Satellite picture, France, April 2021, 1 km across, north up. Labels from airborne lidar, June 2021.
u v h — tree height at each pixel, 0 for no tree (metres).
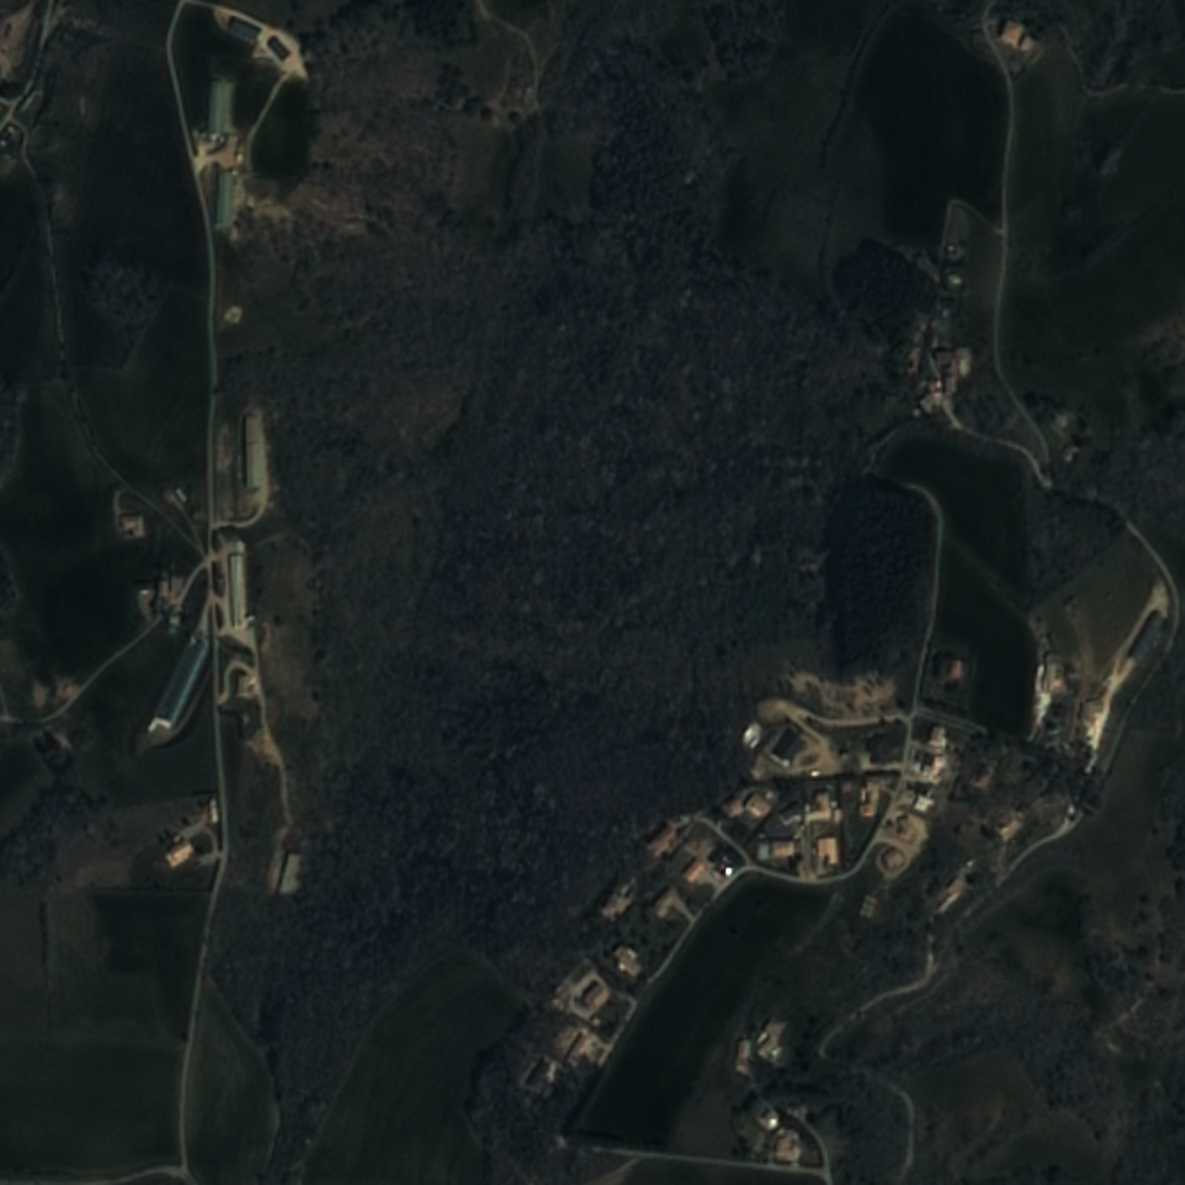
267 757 0
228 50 0
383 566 13
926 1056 8
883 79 0
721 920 0
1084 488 15
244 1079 0
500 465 14
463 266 16
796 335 10
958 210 0
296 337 0
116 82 0
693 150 13
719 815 11
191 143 0
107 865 0
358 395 11
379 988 14
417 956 14
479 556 17
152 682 0
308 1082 10
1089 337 0
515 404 20
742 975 0
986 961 10
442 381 7
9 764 0
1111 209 0
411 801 12
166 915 0
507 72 0
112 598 0
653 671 12
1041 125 0
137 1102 0
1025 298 0
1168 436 14
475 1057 0
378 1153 0
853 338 12
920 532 23
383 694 21
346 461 14
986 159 0
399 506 9
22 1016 0
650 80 13
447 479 19
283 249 10
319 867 22
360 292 11
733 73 6
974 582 0
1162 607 0
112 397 0
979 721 0
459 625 11
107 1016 0
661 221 17
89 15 0
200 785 0
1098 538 6
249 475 0
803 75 0
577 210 14
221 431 0
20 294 0
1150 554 0
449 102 12
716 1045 0
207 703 0
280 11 0
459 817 15
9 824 0
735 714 12
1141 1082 0
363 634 20
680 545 14
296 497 12
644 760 18
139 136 0
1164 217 0
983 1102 0
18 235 0
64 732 0
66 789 13
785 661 0
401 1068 0
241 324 0
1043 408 12
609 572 18
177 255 0
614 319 18
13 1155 0
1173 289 0
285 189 0
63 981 0
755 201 0
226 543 0
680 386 22
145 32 0
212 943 11
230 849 0
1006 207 0
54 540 0
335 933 12
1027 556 9
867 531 29
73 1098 0
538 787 18
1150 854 0
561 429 17
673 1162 0
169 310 0
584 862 20
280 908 16
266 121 0
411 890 17
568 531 15
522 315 9
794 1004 0
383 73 7
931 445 0
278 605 0
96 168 0
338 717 14
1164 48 8
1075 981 0
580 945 14
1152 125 0
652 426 15
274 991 21
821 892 0
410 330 11
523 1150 16
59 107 0
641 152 16
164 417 0
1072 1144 0
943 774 0
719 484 19
